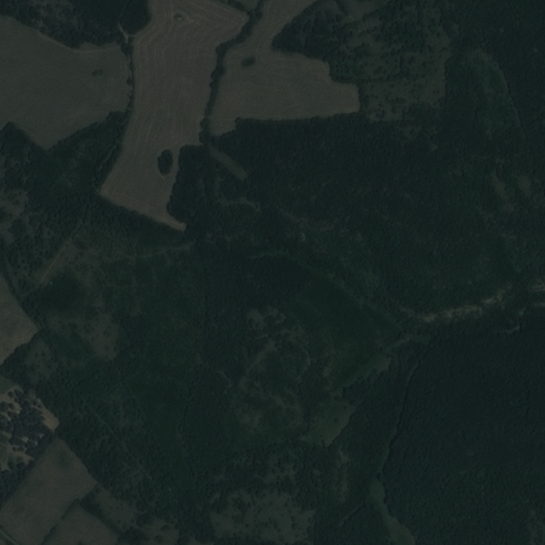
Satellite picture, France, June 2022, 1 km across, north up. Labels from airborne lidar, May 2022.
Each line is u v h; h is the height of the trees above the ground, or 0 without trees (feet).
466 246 24
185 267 20
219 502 24
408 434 65
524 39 26
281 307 34
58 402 27
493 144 22
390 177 31
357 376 0
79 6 21
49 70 0
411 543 0
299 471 31
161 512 25
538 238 23
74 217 31
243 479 33
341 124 32
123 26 20
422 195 30
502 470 23
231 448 38
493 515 31
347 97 0
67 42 27
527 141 24
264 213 29
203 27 0
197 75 0
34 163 37
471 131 36
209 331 30
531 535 22
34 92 0
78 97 0
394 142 26
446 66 29
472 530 25
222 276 20
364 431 41
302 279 43
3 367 37
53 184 32
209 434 41
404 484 36
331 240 21
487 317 31
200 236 32
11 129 46
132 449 22
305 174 23
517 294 21
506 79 33
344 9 32
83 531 0
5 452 0
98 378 23
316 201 21
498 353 44
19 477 29
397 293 30
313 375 26
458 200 21
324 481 31
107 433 30
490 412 25
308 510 29
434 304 36
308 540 24
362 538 29
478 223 24
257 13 26
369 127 32
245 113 0
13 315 0
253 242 22
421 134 28
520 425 37
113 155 36
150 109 0
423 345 28
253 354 30
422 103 19
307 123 39
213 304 33
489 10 38
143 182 0
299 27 30
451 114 29
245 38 20
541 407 59
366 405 36
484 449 35
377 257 22
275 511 0
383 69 31
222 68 28
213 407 32
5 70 0
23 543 0
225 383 34
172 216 39
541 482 25
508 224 27
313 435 0
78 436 26
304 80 0
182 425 20
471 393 63
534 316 46
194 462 33
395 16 26
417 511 22
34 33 0
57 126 0
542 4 29
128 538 37
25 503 0
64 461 0
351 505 31
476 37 29
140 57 0
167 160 39
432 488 36
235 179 32
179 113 0
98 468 34
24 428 61
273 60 0
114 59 0
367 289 18
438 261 29
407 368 30
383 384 52
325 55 27
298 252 36
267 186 24
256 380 19
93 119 0
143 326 37
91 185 36
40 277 0
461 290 26
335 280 26
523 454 37
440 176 33
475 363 38
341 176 27
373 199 32
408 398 51
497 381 38
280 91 0
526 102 37
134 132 0
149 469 25
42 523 0
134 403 31
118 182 0
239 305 23
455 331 41
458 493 25
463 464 40
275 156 24
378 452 55
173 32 0
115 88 0
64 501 0
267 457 37
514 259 40
